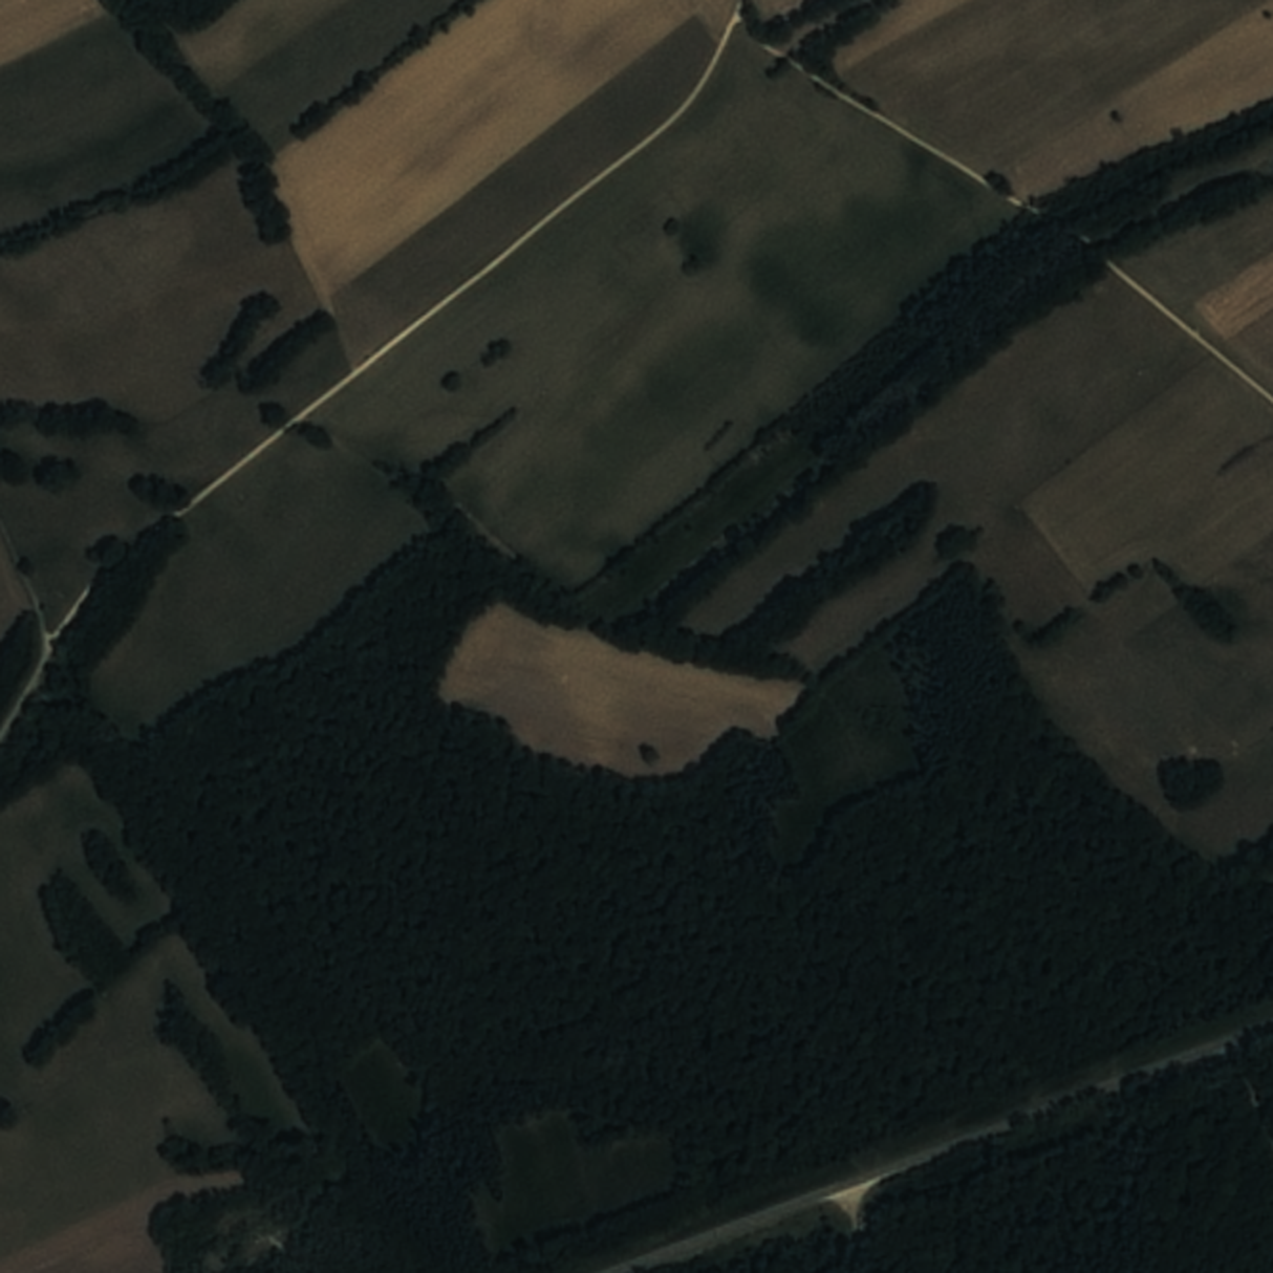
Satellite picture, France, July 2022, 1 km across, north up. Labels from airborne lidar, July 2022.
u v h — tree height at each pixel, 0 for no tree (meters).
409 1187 20
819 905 23
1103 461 0
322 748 22
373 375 0
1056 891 22
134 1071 0
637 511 0
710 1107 24
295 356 14
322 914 23
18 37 0
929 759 24
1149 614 0
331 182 0
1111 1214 18
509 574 25
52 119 0
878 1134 20
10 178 0
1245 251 0
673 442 0
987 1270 25
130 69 0
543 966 23
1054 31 0
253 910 20
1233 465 0
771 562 0
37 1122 0
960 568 12
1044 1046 22
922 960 23
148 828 19
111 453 0
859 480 0
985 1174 20
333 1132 19
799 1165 19
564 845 21
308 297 0
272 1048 17
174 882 15
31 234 14
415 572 17
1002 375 0
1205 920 24
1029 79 0
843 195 0
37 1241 0
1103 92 0
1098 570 0
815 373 0
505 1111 15
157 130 0
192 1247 9
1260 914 26
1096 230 19
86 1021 16
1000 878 19
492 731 19
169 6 15
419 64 0
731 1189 21
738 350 0
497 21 0
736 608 0
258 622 0
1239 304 0
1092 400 0
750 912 20
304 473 0
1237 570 0
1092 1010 23
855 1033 22
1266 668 0
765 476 0
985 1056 21
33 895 0
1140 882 23
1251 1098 17
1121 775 0
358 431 0
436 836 22
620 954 21
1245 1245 18
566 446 0
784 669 20
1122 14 0
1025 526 0
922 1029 22
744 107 0
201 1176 17
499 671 0
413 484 18
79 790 0
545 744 0
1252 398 0
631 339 0
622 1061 25
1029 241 18
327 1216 18
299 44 0
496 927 19
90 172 0
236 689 18
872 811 19
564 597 15
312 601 0
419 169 0
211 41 0
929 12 0
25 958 0
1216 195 20
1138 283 0
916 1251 21
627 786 20
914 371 19
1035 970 25
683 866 21
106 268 0
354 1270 17
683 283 0
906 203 0
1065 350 0
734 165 0
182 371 0
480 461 0
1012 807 23
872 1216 15
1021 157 0
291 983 23
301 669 18
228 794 21
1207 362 0
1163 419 0
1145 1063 0
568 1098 25
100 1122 0
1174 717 0
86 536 0
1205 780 21
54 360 0
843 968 16
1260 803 0
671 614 18
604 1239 18
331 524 0
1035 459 0
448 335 0
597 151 0
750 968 21
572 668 0
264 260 0
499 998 21
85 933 11
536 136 0
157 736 16
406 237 0
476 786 20
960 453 0
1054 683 0
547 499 0
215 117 14
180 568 0
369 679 20
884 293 0
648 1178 0
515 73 0
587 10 0
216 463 0
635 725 0
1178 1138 26
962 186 0
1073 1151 22
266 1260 7
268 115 0
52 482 23
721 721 0
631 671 0
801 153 0
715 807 19
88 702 15
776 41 16
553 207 0
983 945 19
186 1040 20
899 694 0
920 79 0
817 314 0
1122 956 22
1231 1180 24
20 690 7
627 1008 23
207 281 0
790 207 0
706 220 0
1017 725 24
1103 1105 16
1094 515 0
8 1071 0
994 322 14
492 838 20
